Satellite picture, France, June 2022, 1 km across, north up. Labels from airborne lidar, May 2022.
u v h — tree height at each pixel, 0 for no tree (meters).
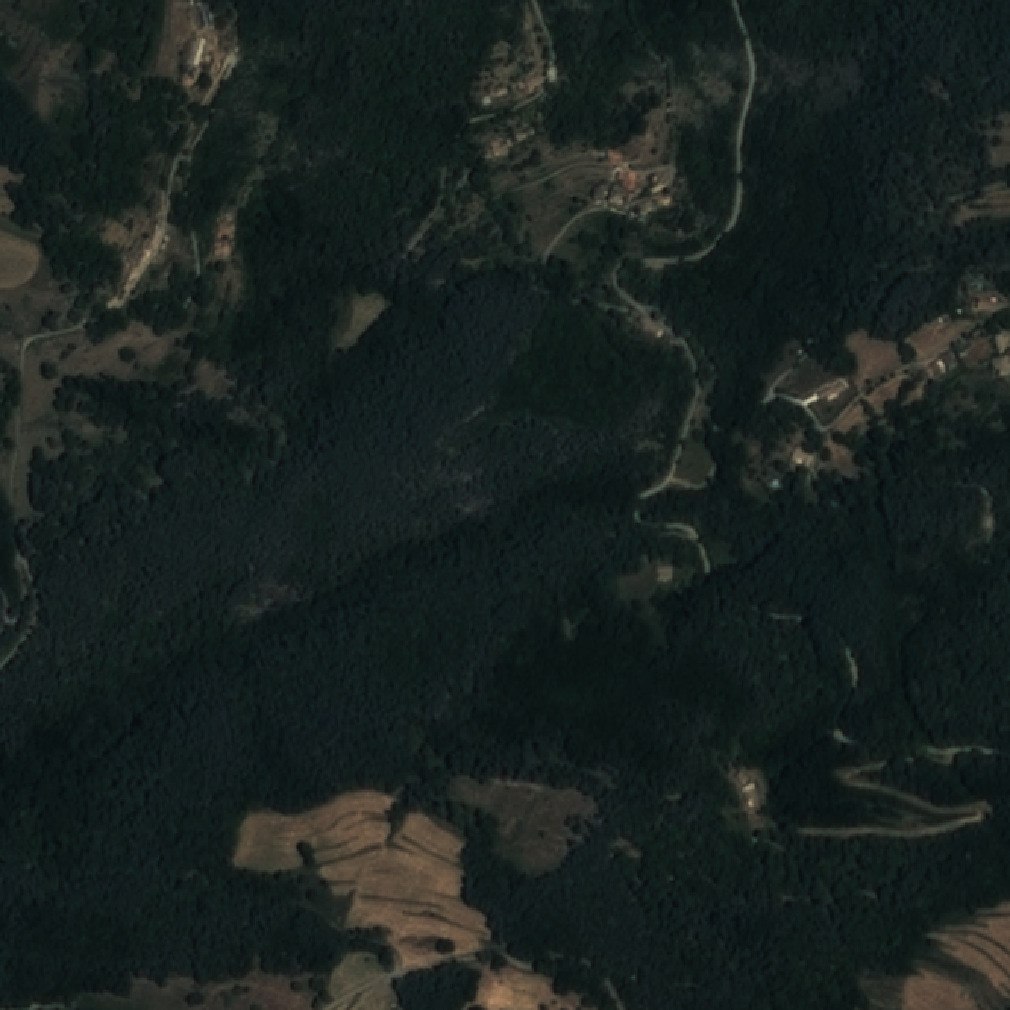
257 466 15
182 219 14
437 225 8
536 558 21
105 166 14
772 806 8
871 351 0
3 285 0
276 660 19
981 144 12
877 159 13
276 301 17
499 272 15
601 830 20
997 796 14
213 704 16
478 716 12
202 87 9
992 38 13
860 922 16
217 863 22
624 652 10
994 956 0
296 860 0
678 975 17
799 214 16
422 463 10
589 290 13
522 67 6
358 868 0
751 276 10
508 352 16
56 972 21
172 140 8
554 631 6
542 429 9
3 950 22
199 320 8
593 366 12
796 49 13
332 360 23
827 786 11
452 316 23
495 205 11
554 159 0
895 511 15
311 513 15
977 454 15
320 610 15
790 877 12
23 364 0
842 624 27
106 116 10
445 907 0
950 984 0
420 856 0
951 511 11
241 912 21
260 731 19
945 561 11
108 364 0
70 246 13
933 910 16
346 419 18
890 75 12
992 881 17
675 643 12
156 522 16
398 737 21
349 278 23
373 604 17
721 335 13
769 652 14
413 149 16
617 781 8
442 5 12
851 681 12
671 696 6
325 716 16
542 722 13
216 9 14
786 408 11
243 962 13
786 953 22
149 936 15
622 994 15
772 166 15
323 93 12
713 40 6
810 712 16
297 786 21
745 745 13
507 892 16
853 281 16
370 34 22
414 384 16
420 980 20
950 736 17
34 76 0
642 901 18
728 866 11
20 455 0
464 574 20
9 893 18
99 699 19
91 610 16
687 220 10
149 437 10
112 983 17
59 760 24
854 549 13
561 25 8
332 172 10
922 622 8
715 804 8
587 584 14
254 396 12
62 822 29
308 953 16
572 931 21
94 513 28
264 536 13
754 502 16
